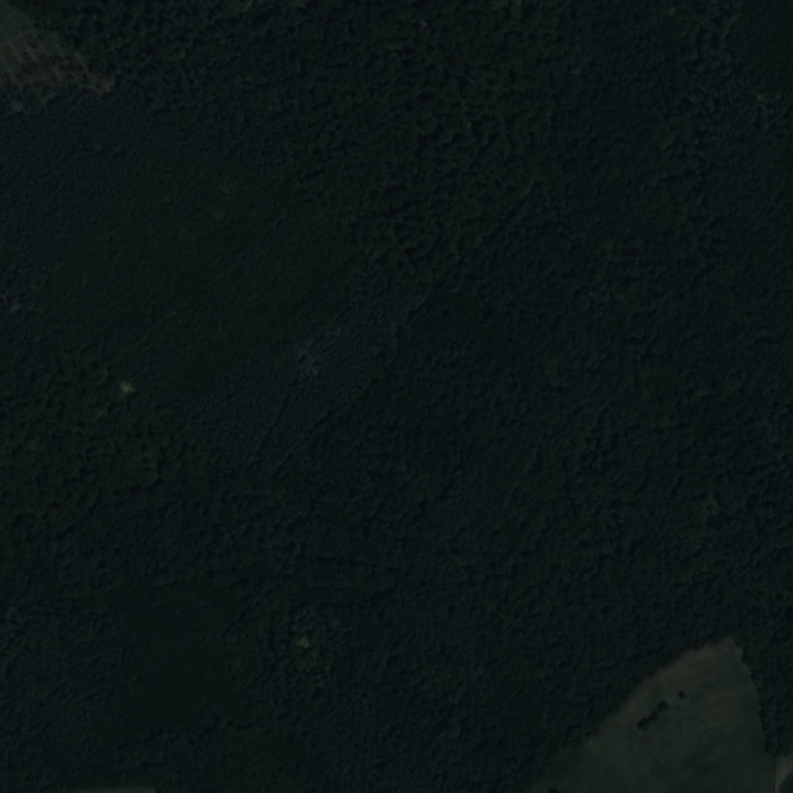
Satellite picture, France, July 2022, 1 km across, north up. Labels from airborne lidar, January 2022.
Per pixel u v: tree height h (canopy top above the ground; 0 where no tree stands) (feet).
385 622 72
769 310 85
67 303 25
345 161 87
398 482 95
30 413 71
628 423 82
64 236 39
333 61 89
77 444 65
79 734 57
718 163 85
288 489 47
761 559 116
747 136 84
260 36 69
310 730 62
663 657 58
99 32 93
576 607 67
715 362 94
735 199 70
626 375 98
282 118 70
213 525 29
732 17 93
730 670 0
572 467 66
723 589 72
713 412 81
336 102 80
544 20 117
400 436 73
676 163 89
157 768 54
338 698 38
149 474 112
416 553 90
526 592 38
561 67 71
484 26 106
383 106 87
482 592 71
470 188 106
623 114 83
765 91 78
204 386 41
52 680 71
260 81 68
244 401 64
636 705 0
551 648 73
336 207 84
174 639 41
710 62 82
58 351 62
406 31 106
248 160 53
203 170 30
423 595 73
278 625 91
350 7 81
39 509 95
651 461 102
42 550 109
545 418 79
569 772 0
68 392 76
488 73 112
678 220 92
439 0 100
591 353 87
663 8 105
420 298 45
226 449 74
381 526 88
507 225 71
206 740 66
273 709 95
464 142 92
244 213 29
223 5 91
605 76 56
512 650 82
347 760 70
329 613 94
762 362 84
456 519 87
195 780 68
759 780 0
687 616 58
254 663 90
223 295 47
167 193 32
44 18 45
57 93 46
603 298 93
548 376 89
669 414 63
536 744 71
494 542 79
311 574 100
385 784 50
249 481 97
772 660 75
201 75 73
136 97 48
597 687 52
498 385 98
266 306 38
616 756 0
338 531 82
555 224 52
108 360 63
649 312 33
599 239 86
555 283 84
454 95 110
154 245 36
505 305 62
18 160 44
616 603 61
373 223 105
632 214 97
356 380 81
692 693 0
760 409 103
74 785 40
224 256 34
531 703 78
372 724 60
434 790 49
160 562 63
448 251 84
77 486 95
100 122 53
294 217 46
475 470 88
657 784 0
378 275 69
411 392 74
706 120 94
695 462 115
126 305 26
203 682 39
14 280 46
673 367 105
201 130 45
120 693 41
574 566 57
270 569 69
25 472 65
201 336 43
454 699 76
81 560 102
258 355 64
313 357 64
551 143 94
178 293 42
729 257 104
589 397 95
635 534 78
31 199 31
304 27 72
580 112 86
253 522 49
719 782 0
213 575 82
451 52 101
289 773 53
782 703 71
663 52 78
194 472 98
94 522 92
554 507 77
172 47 73
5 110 46
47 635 85
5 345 52
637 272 98
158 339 49
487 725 86
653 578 60
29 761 98
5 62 0
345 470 50
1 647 114
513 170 104
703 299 92
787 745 57
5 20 0
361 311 71
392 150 91
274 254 42
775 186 68
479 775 98
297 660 79
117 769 39
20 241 35
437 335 77
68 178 38
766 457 115
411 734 55
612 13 70
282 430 67
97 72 53
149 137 28
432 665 71
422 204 94
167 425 83
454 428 81
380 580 83
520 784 81
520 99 102
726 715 0
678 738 0
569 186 79
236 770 44
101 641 37
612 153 91
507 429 91
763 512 100
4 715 91
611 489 64
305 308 59
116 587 87
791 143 81
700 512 114
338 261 64
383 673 69
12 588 87
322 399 72
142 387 56
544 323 75
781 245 80
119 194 26
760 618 83
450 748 92
